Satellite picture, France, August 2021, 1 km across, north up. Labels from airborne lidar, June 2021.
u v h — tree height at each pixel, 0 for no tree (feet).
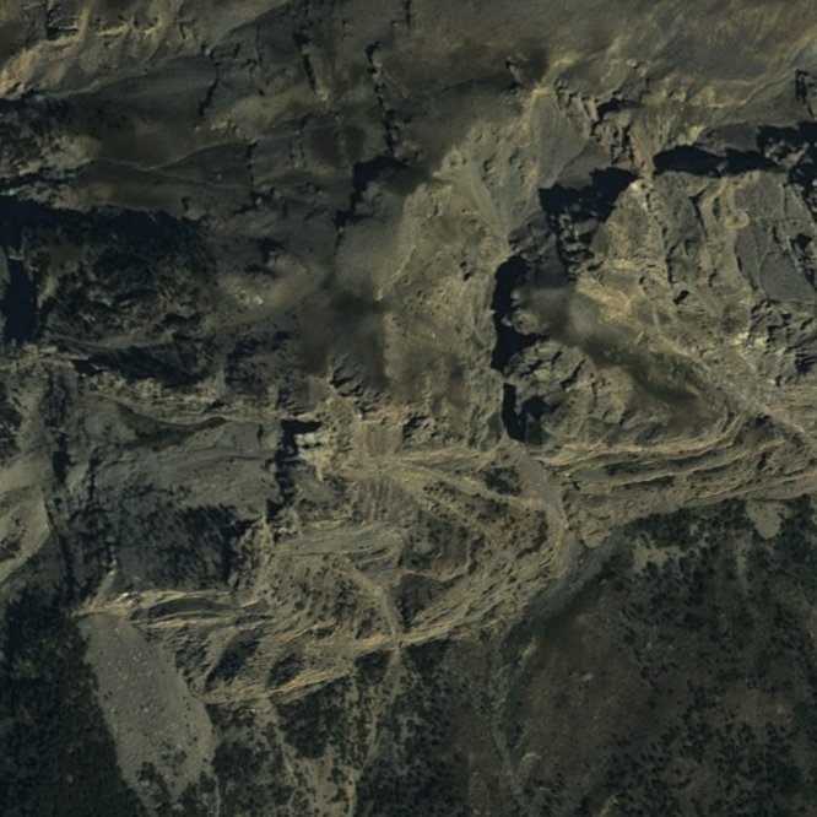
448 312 0
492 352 0
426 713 34
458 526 0
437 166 0
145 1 0
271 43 0
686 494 0
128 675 0
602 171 0
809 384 0
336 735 18
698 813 30
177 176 0
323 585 0
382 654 31
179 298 25
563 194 0
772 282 0
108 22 0
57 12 0
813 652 39
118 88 0
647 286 0
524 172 0
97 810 36
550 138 0
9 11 0
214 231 0
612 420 0
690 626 34
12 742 52
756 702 0
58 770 44
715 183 0
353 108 0
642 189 0
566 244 0
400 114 0
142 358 31
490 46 0
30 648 43
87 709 32
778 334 0
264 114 0
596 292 0
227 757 27
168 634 0
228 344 0
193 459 0
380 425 0
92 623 0
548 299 0
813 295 0
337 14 0
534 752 0
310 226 0
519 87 0
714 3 0
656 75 0
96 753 42
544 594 0
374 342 0
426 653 48
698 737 50
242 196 0
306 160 0
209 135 0
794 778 26
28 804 52
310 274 0
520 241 0
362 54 0
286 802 24
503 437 0
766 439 0
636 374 0
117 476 0
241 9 0
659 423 0
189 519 20
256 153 0
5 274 0
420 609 0
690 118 0
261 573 0
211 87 0
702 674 0
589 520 0
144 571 0
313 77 0
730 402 0
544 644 0
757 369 0
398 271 0
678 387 0
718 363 0
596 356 0
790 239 0
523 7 0
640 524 40
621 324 0
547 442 0
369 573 0
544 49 0
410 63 0
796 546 24
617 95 0
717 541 22
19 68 0
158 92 0
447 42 0
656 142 0
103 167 0
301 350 0
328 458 0
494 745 0
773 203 0
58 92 0
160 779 32
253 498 0
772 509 0
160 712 0
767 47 0
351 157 0
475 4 0
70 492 0
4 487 0
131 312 25
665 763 43
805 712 24
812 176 0
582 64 0
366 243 0
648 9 0
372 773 26
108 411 0
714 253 0
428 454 0
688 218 0
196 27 0
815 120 0
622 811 24
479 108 0
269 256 0
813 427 0
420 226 0
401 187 0
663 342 0
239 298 0
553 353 0
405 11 0
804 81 0
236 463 0
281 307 0
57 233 23
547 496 0
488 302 0
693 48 0
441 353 0
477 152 0
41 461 0
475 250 0
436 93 0
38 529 0
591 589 0
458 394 0
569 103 0
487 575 0
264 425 0
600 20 0
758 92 0
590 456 0
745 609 24
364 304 0
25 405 0
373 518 0
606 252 0
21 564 0
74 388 0
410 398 0
